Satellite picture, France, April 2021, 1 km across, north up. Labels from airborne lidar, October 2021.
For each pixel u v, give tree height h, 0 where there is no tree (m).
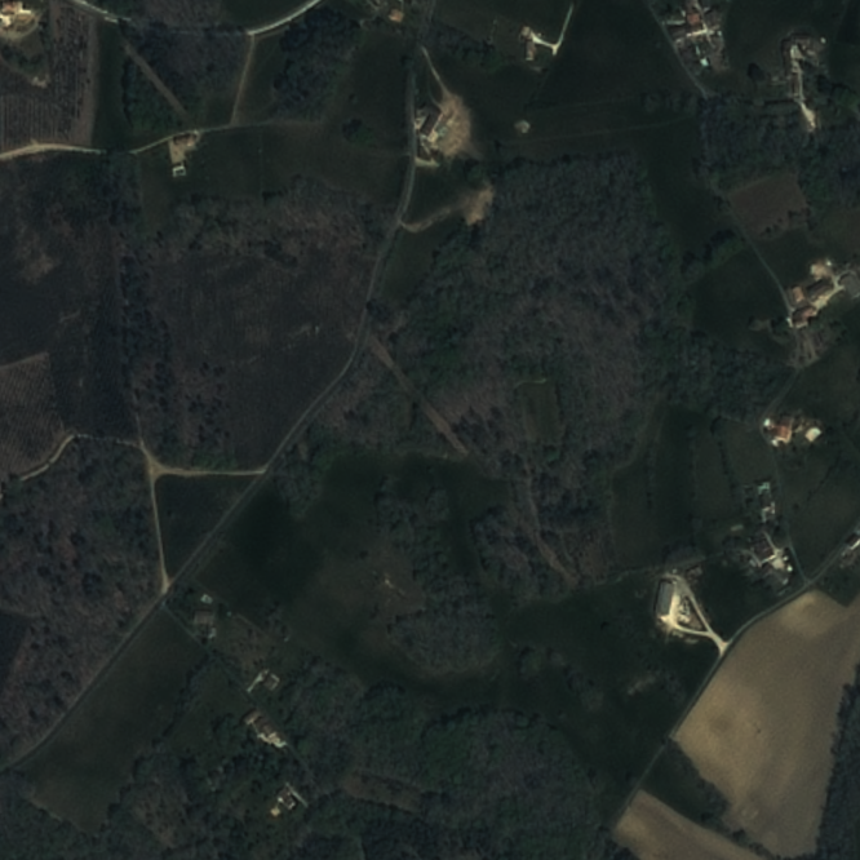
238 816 9
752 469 0
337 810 17
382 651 0
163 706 0
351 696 18
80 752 0
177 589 6
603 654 0
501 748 19
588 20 0
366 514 0
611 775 0
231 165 0
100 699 0
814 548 0
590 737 0
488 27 0
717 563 6
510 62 10
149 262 8
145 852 14
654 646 0
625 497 0
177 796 12
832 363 0
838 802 17
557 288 17
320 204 17
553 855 26
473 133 0
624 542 0
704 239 0
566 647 0
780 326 10
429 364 21
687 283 20
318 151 0
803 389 0
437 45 11
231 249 9
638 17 0
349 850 18
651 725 0
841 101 19
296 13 0
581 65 0
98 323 7
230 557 0
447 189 0
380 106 0
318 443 13
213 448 14
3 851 21
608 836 15
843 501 0
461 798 18
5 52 13
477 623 18
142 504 12
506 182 17
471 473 0
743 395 12
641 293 24
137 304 17
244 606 0
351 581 0
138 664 0
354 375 13
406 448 15
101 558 17
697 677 0
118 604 16
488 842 15
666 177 0
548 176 14
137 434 9
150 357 18
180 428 16
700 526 12
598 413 17
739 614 0
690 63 11
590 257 22
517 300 12
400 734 18
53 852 18
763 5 0
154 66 12
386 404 17
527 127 0
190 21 18
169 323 0
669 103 21
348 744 17
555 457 19
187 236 18
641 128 0
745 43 0
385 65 0
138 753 0
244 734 8
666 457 0
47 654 15
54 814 0
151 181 0
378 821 14
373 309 12
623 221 13
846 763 26
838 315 0
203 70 16
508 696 0
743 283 0
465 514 0
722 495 0
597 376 21
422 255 0
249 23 0
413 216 0
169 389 16
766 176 9
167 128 17
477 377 14
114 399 8
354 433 17
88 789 0
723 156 23
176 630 0
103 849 15
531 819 17
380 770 14
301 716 14
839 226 0
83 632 11
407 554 15
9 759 12
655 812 0
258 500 0
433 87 0
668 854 0
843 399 0
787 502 0
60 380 7
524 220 20
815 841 0
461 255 17
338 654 0
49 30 13
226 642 0
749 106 9
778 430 0
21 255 0
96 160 6
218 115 0
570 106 0
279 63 0
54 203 6
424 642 18
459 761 17
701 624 0
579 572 6
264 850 8
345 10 0
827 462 0
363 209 17
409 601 0
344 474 0
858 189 27
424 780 19
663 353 22
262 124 0
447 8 0
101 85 0
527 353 18
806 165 14
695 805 0
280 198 10
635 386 16
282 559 0
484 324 15
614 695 0
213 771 0
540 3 0
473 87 0
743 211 0
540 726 15
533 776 19
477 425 15
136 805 13
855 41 0
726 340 0
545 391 0
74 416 7
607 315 16
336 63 19
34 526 14
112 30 0
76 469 6
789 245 0
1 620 7
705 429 0
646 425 16
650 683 0
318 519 0
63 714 20
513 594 19
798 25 0
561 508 13
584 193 19
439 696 0
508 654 0
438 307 18
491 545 19
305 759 14
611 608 0
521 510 16
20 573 6
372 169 0
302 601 0
